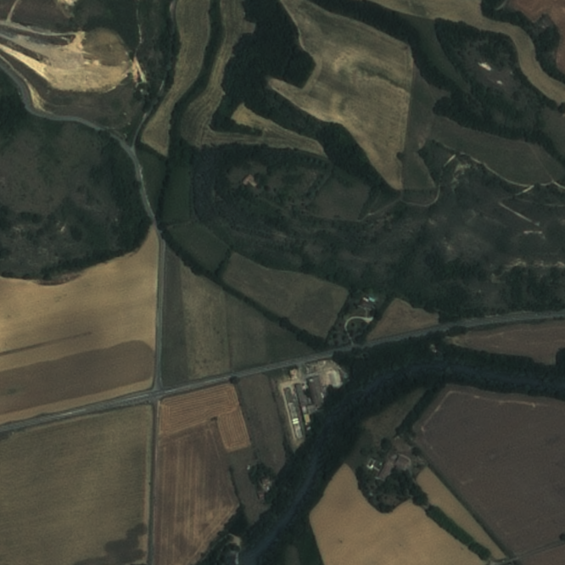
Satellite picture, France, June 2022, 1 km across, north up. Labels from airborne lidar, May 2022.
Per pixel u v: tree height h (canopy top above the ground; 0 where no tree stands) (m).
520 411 0
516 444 0
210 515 0
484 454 0
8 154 0
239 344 0
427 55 15
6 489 0
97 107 0
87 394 0
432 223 0
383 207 0
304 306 0
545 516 0
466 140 0
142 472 0
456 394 0
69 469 0
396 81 0
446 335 13
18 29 0
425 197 0
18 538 0
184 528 0
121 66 0
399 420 0
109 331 0
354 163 13
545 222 0
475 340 0
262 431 0
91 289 0
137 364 0
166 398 0
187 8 0
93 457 0
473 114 12
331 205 0
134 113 0
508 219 0
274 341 0
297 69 16
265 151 18
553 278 7
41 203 0
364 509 0
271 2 14
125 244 11
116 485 0
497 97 9
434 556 0
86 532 0
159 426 0
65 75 0
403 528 0
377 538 0
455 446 0
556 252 0
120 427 0
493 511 0
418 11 0
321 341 19
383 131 0
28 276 13
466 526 0
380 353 10
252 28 0
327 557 0
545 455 0
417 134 0
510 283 12
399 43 0
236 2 0
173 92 0
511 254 0
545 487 0
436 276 7
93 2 0
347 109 0
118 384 0
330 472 16
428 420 0
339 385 13
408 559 0
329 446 20
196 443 0
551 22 0
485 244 0
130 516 0
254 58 14
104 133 15
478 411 0
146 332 0
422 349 17
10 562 0
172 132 10
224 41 0
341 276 12
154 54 0
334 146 13
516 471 0
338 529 0
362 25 0
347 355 13
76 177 0
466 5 0
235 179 0
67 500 0
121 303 0
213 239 0
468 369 0
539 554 0
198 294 0
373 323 8
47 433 0
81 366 0
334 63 0
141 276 0
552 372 16
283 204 8
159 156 5
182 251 14
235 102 9
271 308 0
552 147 13
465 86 0
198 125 0
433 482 0
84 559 0
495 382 7
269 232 10
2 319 0
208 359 0
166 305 0
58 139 0
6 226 6
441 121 0
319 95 0
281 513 16
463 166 0
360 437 21
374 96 0
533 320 0
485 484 0
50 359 0
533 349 0
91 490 0
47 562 0
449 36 11
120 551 0
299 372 0
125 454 0
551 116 0
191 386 0
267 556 18
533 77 0
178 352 0
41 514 0
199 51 0
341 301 0
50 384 0
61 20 0
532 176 0
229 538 7
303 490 0
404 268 9
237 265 0
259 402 0
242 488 0
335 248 10
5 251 8
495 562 0
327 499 0
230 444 0
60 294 0
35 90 0
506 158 0
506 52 6
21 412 0
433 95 0
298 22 0
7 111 12
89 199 6
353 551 0
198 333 0
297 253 11
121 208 8
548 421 0
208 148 18
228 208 13
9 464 0
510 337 0
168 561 0
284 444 8
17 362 0
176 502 0
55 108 0
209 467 0
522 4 0
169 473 0
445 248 0
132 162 6
